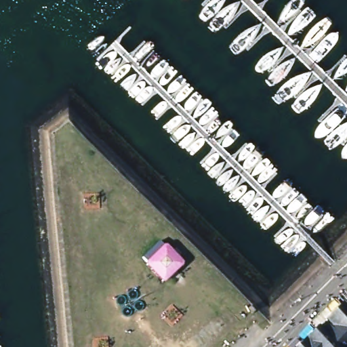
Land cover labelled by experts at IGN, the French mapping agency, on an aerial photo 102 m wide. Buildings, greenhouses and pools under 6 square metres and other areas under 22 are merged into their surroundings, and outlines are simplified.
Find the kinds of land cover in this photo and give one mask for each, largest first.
<instances>
[{"label":"water","instance_id":"1","mask_svg":"<svg viewBox=\"0 0 347 347\"><path fill-rule=\"evenodd\" d=\"M64 96L69 99L70 121L130 183L137 187L140 194L164 214L167 220L171 221V224L243 293L253 308L270 319V306L312 267V264L316 263L317 259L329 255L339 237L347 232V0H0V347H50L30 126Z\"/></svg>","mask_w":347,"mask_h":347},{"label":"herbaceous vegetation","instance_id":"2","mask_svg":"<svg viewBox=\"0 0 347 347\"><path fill-rule=\"evenodd\" d=\"M52 161L57 214L60 216L64 239L65 278L69 293L73 347H149L152 340L149 339L148 333L138 329L133 314L127 316V321L119 320L122 309L117 301L118 295L129 293V290L136 287L141 290V298L146 302L145 308L138 310V313L141 314L142 320L148 321L150 328L156 333V338L161 342H169L171 339L175 342H188L194 338L195 333L214 321L221 324L222 331L217 335H211V347H234L237 340L245 338V333L252 325L258 324L262 329L267 328L270 319L253 308L243 293L171 224V221L167 220L164 214L140 194L137 187L130 183L70 121L54 134ZM99 191L106 192V201L99 202L100 206L107 207L106 213H81V192H95L98 195ZM164 244L171 245L184 260L183 266L165 281L142 259V256L150 258Z\"/></svg>","mask_w":347,"mask_h":347},{"label":"impervious surface","instance_id":"3","mask_svg":"<svg viewBox=\"0 0 347 347\"><path fill-rule=\"evenodd\" d=\"M69 99L64 96L30 126L50 347H73L69 293L65 278L64 239L60 216L57 214L52 161L54 134L70 121ZM106 201V192L99 191L98 195L95 192H81V213H106L107 207L100 206L99 202ZM343 301H347V232L339 237L329 255L317 259L316 263L312 264V267L270 306V319L267 328L262 329L258 324L252 325L245 333V338L237 340L234 347H293L297 346L300 338H308L312 329H319V325L328 321Z\"/></svg>","mask_w":347,"mask_h":347},{"label":"building","instance_id":"4","mask_svg":"<svg viewBox=\"0 0 347 347\"><path fill-rule=\"evenodd\" d=\"M142 259L165 281L183 266L184 260L171 245L164 244L150 258L142 256ZM293 347H347V301H343L328 321L319 325V329H312L308 338H300L297 346Z\"/></svg>","mask_w":347,"mask_h":347},{"label":"pervious surface","instance_id":"5","mask_svg":"<svg viewBox=\"0 0 347 347\"><path fill-rule=\"evenodd\" d=\"M141 290L136 287L129 290V293L118 295L117 301L122 309L119 320L127 321V316L133 314L138 329L148 333L149 339L152 340L149 347H211V335H217L222 331L221 324L214 321L195 333L194 338L188 342H175L171 339L169 342H161L156 338V333L150 328L148 321L142 320L141 314L138 313V310L145 308L146 302L141 298Z\"/></svg>","mask_w":347,"mask_h":347}]
</instances>
